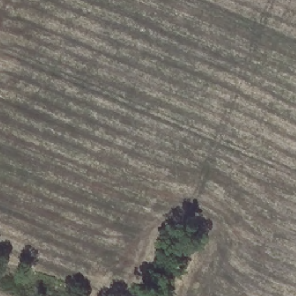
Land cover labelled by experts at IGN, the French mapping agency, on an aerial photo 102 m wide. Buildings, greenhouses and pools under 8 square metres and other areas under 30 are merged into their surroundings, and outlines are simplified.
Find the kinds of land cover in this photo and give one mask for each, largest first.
<instances>
[{"label":"agricultural land","instance_id":"1","mask_svg":"<svg viewBox=\"0 0 296 296\"><path fill-rule=\"evenodd\" d=\"M184 199L198 200L201 210L195 213V216L210 220L213 225L208 231V243L191 254L184 274L175 279L177 296H296V0H0V243L6 240L12 244L9 266L18 265L21 252L25 249L30 251L31 257H35L31 266L32 272L53 275L62 280L68 275L80 273L90 282L91 296H97L102 288H110L113 281H124L127 290L133 289V283L142 282L141 276L134 275V268L141 266L143 262L154 260L158 228L164 220L169 219L172 208L183 206Z\"/></svg>","mask_w":296,"mask_h":296},{"label":"deciduous trees","instance_id":"2","mask_svg":"<svg viewBox=\"0 0 296 296\"><path fill-rule=\"evenodd\" d=\"M201 210L198 200L184 199L183 206L172 208L169 219L164 220L158 228L154 260L143 262L141 266L134 268V275L141 276L142 282L133 283V289L127 290L124 281H113L110 288H102L97 296H177L175 279L184 274L191 254L208 243V231L213 225L210 220L195 216V213ZM12 244L6 240L0 243V296H91L90 282L80 273L68 275L62 280L53 275L32 272L31 266L35 257H31L30 251L25 249L21 252L18 265L9 266Z\"/></svg>","mask_w":296,"mask_h":296}]
</instances>
